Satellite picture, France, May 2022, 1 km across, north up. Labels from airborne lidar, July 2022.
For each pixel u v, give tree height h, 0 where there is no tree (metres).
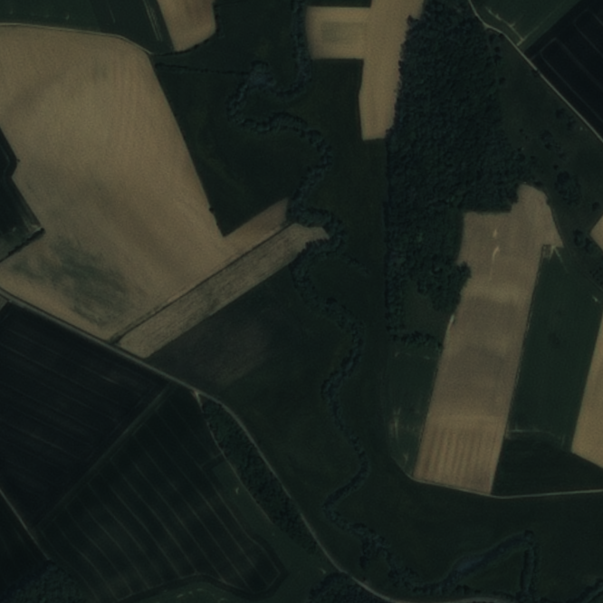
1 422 0
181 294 0
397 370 0
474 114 15
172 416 0
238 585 0
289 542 0
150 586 0
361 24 0
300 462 0
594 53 0
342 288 0
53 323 0
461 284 17
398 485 0
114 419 0
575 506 0
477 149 17
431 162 23
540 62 0
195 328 0
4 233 0
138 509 0
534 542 17
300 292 14
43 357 0
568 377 0
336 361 0
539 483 0
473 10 18
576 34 0
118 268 0
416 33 25
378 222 0
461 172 21
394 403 0
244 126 16
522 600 19
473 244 0
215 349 0
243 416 0
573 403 0
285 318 0
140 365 0
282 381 0
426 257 20
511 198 24
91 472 0
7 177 0
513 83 0
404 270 18
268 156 0
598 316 0
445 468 0
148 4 0
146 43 0
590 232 0
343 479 0
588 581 0
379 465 0
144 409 0
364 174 0
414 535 0
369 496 0
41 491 0
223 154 0
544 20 0
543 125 0
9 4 0
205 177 0
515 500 0
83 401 0
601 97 0
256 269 0
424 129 25
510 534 0
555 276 0
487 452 0
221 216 0
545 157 0
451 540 0
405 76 21
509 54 0
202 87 0
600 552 0
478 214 14
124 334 0
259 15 0
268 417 0
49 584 22
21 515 0
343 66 0
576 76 0
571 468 0
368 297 0
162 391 0
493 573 0
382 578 0
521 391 0
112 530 0
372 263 0
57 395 0
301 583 0
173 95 0
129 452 0
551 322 0
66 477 0
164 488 0
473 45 20
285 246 0
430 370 0
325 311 16
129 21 0
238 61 0
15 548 0
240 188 0
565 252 0
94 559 0
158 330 0
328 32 0
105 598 0
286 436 0
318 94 0
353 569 0
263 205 0
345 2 0
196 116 0
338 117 0
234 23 0
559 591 0
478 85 19
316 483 0
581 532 0
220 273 0
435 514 0
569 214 0
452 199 16
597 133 0
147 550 0
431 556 0
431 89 21
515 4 0
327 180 0
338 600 18
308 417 0
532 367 0
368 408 0
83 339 0
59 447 0
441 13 18
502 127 14
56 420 0
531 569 17
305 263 20
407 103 19
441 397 0
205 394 0
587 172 0
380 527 0
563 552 0
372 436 0
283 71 0
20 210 0
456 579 15
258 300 0
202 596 0
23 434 0
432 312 0
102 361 0
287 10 0
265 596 0
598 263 0
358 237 0
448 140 21
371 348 0
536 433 0
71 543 0
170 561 0
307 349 0
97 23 0
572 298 0
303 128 17
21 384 0
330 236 11
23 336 0
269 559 0
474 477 0
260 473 13
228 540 0
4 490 0
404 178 21
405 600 0
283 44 0
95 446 0
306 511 0
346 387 0
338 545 0
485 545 0
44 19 0
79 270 0
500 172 21
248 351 0
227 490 0
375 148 0
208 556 0
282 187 0
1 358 0
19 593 16
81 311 0
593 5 0
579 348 0
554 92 0
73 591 20
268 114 0
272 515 6
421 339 16
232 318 0
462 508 0
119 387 0
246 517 0
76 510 0
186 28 0
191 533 0
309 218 21
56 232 0
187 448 0
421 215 20
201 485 0
